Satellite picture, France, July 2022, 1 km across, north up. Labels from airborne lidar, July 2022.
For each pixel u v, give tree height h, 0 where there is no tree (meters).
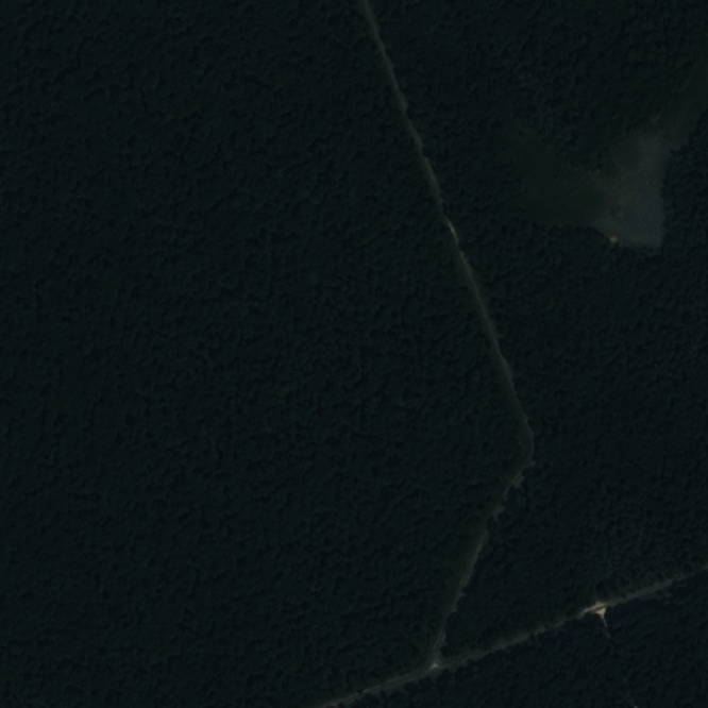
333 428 25
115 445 27
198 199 26
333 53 21
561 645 25
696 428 23
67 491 29
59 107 24
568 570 17
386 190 24
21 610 25
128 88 27
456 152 23
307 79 25
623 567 29
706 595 27
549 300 23
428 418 26
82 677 26
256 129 29
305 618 25
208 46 29
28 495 25
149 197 25
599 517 27
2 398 28
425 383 26
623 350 21
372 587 28
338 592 26
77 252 25
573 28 15
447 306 28
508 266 12
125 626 27
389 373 30
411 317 26
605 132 21
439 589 20
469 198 22
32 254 27
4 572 28
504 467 24
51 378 26
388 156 25
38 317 30
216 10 28
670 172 14
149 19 27
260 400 30
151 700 23
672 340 25
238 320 26
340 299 28
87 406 19
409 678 0
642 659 29
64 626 28
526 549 21
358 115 25
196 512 26
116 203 27
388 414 24
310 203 28
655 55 19
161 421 27
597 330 26
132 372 28
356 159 26
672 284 18
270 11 29
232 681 24
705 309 21
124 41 26
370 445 24
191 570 27
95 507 27
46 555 28
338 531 20
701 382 23
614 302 26
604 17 24
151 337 26
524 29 25
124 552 29
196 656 26
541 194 0
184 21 22
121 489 23
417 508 26
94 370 28
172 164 27
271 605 28
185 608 24
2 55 26
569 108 8
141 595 27
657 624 27
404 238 22
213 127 29
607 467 24
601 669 25
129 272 28
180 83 27
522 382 21
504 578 23
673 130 0
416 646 28
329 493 26
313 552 23
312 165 24
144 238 18
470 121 28
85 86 25
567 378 21
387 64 0
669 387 22
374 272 25
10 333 30
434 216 23
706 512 22
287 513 26
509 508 19
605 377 21
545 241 14
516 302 21
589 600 20
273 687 24
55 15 28
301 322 28
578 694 23
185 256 25
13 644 27
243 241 27
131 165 28
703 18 21
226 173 23
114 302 23
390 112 28
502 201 26
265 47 27
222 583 26
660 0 22
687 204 21
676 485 24
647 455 16
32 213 30
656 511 20
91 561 25
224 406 23
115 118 30
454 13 21
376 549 21
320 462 24
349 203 25
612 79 18
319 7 27
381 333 33
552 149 13
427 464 24
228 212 26
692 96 0
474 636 25
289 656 28
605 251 16
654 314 25
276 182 25
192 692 23
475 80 21
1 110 30
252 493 8
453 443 19
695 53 19
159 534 27
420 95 26
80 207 27
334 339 27
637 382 25
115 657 24
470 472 28
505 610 18
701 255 22
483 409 23
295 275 26
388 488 20
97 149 27
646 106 20
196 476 28
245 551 26
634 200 0
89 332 26
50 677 28
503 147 17
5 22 25
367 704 19
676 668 26
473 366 28
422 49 20
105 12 26
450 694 25
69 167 23
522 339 20
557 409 15
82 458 28
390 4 24
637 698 24
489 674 21
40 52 28
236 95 27
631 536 29
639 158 0
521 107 15
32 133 25
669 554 17
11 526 30
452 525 25
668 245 15
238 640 24
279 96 31
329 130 17
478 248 23
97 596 24
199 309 28
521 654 22
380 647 28
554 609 19
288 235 20
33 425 25
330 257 27
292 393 26
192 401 30
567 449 21
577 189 0
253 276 23
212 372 30
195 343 24
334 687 23
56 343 21
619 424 19
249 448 25
